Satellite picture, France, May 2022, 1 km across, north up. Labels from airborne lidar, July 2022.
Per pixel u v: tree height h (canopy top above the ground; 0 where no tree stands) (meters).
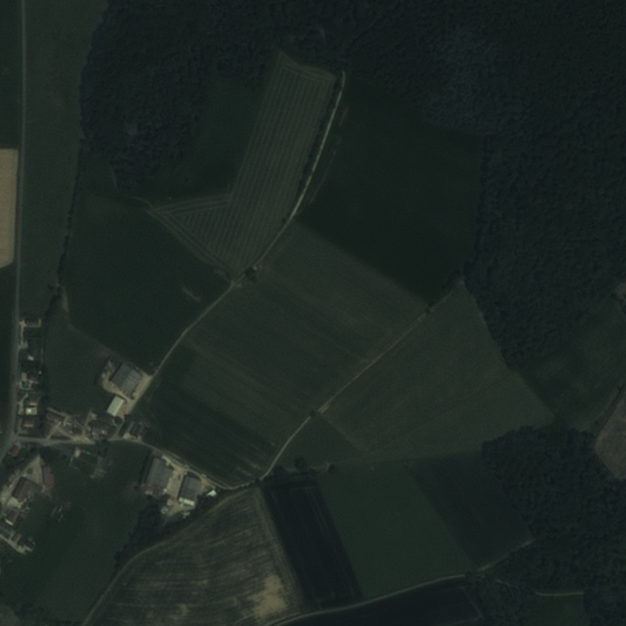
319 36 31
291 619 0
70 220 11
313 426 0
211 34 20
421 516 0
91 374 0
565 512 32
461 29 32
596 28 22
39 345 0
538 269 25
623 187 25
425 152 0
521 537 0
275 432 0
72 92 0
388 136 0
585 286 26
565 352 0
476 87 23
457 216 0
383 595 0
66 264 12
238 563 0
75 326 0
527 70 20
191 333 0
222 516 0
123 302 0
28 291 0
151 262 0
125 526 0
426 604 0
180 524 11
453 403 0
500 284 28
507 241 27
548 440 28
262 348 0
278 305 0
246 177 0
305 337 0
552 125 16
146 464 9
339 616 0
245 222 0
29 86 0
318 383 0
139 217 0
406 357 0
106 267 0
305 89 0
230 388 0
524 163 31
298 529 0
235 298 0
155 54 22
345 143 0
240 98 0
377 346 0
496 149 26
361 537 0
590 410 0
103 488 0
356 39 18
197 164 0
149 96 22
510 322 25
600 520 33
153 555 0
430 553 0
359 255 0
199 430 0
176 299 0
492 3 24
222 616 0
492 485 0
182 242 0
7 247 0
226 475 0
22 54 0
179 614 0
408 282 0
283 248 0
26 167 0
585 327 0
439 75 30
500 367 0
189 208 0
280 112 0
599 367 0
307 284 0
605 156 27
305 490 0
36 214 0
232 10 24
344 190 0
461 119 28
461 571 0
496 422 0
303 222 0
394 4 21
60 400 0
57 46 0
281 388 0
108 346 0
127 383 0
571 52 20
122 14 26
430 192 0
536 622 0
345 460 0
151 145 25
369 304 0
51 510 0
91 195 0
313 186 0
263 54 22
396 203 0
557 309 24
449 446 0
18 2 0
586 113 27
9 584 0
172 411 0
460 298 0
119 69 29
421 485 0
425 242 0
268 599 0
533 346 20
